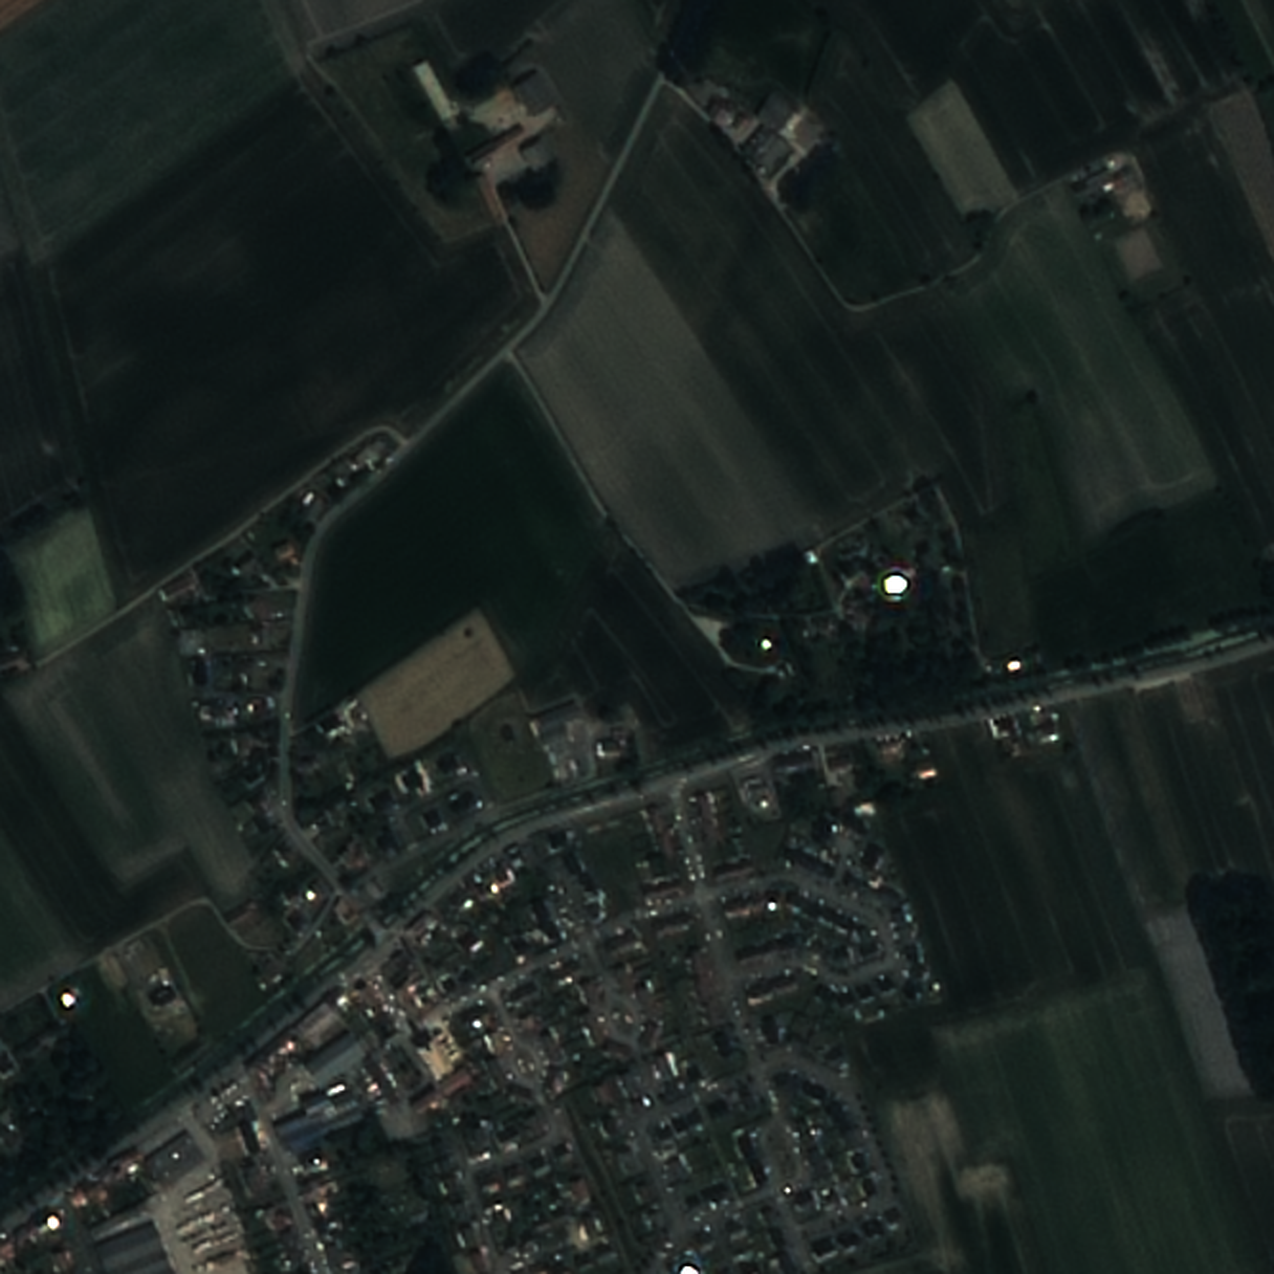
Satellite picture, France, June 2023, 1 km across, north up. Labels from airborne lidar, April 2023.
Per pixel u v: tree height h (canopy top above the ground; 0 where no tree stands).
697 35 30
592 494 0
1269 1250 0
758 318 0
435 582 0
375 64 0
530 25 0
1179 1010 0
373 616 0
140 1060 0
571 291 0
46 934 0
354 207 0
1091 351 0
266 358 0
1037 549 0
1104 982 0
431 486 0
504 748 0
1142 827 0
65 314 0
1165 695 0
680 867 0
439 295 0
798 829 0
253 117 0
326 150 0
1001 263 0
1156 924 0
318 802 6
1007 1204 0
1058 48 0
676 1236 0
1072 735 0
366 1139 15
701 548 0
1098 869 0
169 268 0
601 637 0
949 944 0
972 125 0
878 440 0
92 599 0
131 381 0
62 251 0
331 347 0
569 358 0
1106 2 0
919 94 0
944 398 0
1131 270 0
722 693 0
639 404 0
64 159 0
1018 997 0
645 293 0
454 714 0
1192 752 0
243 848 0
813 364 0
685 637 0
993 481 0
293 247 0
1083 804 0
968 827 0
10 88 0
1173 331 0
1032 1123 0
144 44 0
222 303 0
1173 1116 0
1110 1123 0
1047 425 0
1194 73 0
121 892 0
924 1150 0
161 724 0
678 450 0
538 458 0
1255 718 0
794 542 0
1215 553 0
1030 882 0
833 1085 0
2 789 0
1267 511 0
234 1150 0
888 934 0
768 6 0
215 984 0
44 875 0
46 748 0
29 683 0
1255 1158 0
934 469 0
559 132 0
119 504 0
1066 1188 0
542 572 0
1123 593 0
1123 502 0
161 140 0
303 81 0
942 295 0
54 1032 9
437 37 0
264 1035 0
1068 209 0
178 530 0
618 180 0
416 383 0
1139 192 0
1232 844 0
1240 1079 0
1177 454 0
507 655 0
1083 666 10
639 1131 0
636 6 0
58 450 0
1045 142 0
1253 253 0
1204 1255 0
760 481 0
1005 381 0
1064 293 0
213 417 0
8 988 0
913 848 0
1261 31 0
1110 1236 0
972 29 0
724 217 0
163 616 0
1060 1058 0
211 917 0
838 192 0
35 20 0
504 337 0
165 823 0
